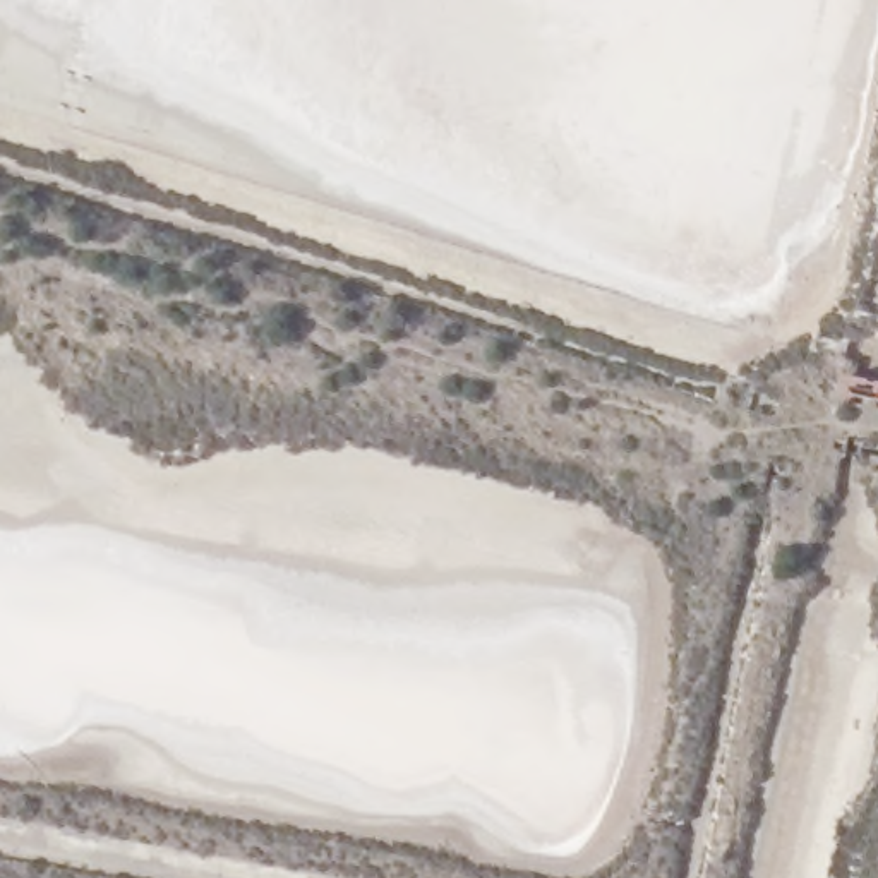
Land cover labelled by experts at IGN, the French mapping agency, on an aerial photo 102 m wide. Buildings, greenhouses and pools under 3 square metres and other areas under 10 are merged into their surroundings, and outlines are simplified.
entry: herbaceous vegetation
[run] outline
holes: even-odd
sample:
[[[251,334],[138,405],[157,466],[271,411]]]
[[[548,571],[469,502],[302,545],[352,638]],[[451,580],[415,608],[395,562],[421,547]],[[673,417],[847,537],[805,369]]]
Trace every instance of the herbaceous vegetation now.
[[[820,319],[820,333],[844,340],[847,353],[809,350],[809,340],[796,336],[785,350],[741,364],[737,384],[727,374],[720,381],[707,381],[676,374],[669,388],[641,381],[607,381],[600,367],[552,353],[538,326],[518,322],[518,329],[511,333],[504,326],[470,319],[432,302],[391,295],[370,281],[343,278],[326,268],[278,257],[274,271],[264,274],[254,274],[240,261],[220,268],[220,298],[240,302],[257,285],[281,292],[285,305],[305,309],[312,333],[305,333],[292,346],[274,346],[271,360],[257,360],[257,350],[250,346],[244,322],[237,326],[233,343],[226,343],[223,322],[206,322],[206,336],[199,340],[199,357],[192,360],[192,367],[213,367],[230,381],[247,377],[250,384],[268,384],[285,394],[295,394],[302,388],[319,388],[322,377],[336,370],[346,370],[360,353],[381,350],[381,370],[353,384],[357,405],[377,401],[388,412],[394,412],[398,422],[418,415],[436,429],[442,422],[466,418],[484,442],[525,439],[542,460],[573,460],[593,470],[607,487],[621,477],[621,470],[634,470],[638,494],[655,508],[669,508],[672,501],[679,501],[683,490],[689,490],[703,501],[713,501],[710,508],[717,518],[731,514],[741,501],[748,501],[748,514],[765,518],[765,532],[755,556],[755,580],[748,586],[741,628],[734,638],[720,741],[703,813],[693,830],[693,857],[686,878],[734,878],[734,864],[724,857],[724,851],[744,823],[755,731],[761,727],[765,707],[772,700],[772,669],[785,638],[792,600],[803,586],[799,576],[823,562],[833,545],[837,521],[847,508],[847,490],[854,484],[864,484],[868,508],[875,511],[878,528],[878,398],[864,398],[857,405],[851,401],[851,388],[854,377],[878,381],[878,120],[868,151],[864,216],[857,226],[857,244],[851,250],[847,288],[840,302]],[[490,381],[494,394],[484,401],[446,394],[442,381],[453,374]],[[727,439],[720,439],[710,449],[710,463],[700,463],[693,456],[689,432],[676,432],[662,422],[669,401],[724,429]]]
[[[31,230],[58,237],[72,250],[120,250],[154,264],[178,264],[182,271],[195,271],[199,264],[195,254],[154,247],[147,233],[137,237],[127,230],[117,240],[86,240],[75,223],[45,213],[31,223]]]
[[[655,751],[655,775],[648,796],[641,799],[645,813],[652,816],[655,806],[665,806],[669,799],[689,803],[696,775],[696,765],[683,755],[689,700],[676,700],[669,693],[665,727]]]
[[[0,202],[0,261],[14,264],[41,254],[27,240],[10,233]]]
[[[192,442],[192,449],[158,449],[147,456],[161,466],[192,466],[209,456],[202,442]]]

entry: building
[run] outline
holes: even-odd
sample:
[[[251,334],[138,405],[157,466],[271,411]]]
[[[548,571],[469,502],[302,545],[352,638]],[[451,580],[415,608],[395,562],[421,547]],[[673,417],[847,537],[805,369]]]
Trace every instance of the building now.
[[[851,401],[857,405],[864,398],[878,398],[878,381],[854,377],[851,388]]]

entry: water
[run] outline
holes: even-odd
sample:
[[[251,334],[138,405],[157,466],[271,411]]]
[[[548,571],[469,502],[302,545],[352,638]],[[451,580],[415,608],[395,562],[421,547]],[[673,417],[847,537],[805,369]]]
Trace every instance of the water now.
[[[268,562],[175,552],[93,525],[41,525],[17,532],[0,528],[0,779],[123,789],[130,796],[158,799],[168,806],[195,806],[237,820],[268,820],[309,830],[346,830],[357,837],[408,840],[439,851],[456,851],[484,864],[532,868],[569,878],[580,878],[610,864],[631,840],[634,827],[652,816],[645,813],[641,799],[648,796],[655,775],[655,751],[665,727],[669,693],[672,583],[662,552],[652,545],[648,535],[638,535],[610,521],[600,532],[576,528],[576,535],[597,549],[621,549],[624,556],[617,569],[645,576],[645,607],[638,614],[631,614],[631,607],[617,597],[573,586],[449,583],[377,590],[329,573],[295,573]]]
[[[220,0],[209,14],[223,17],[226,31],[240,41],[233,55],[223,62],[223,69],[250,72],[261,82],[271,79],[271,89],[278,96],[309,113],[309,130],[302,134],[298,127],[278,120],[254,99],[209,86],[192,72],[158,65],[158,48],[147,38],[123,45],[117,51],[117,62],[123,65],[120,72],[127,75],[130,89],[151,89],[161,103],[185,106],[206,120],[216,120],[254,137],[261,147],[274,151],[295,168],[316,171],[319,182],[336,195],[364,199],[405,213],[436,230],[508,250],[549,271],[600,281],[628,295],[710,319],[731,319],[724,298],[734,292],[751,292],[768,281],[775,268],[779,237],[792,223],[809,220],[823,185],[833,182],[844,165],[844,151],[854,141],[857,120],[851,120],[830,103],[830,72],[840,58],[857,0]]]

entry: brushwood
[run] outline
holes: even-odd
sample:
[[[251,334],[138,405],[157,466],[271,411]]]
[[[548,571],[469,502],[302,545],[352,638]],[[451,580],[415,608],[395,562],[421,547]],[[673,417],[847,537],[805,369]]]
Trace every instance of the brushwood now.
[[[0,202],[10,233],[27,240],[41,254],[14,264],[0,261],[0,333],[10,336],[14,350],[41,370],[45,388],[51,388],[69,412],[82,415],[93,429],[130,439],[134,453],[147,456],[158,449],[192,449],[192,442],[202,442],[209,456],[261,446],[285,446],[288,453],[343,446],[384,449],[422,466],[463,470],[511,487],[535,487],[562,501],[597,504],[610,521],[638,535],[648,535],[652,545],[662,552],[672,583],[669,693],[676,700],[689,700],[683,755],[696,765],[696,775],[689,803],[669,799],[665,806],[655,806],[652,816],[634,827],[631,840],[610,864],[580,878],[686,878],[693,857],[693,830],[703,813],[720,741],[734,638],[741,628],[748,586],[755,580],[755,556],[765,532],[765,518],[748,514],[748,501],[741,501],[731,514],[717,518],[710,508],[713,501],[703,501],[689,490],[683,490],[679,501],[672,501],[669,508],[655,508],[638,494],[634,470],[621,470],[621,477],[607,487],[593,470],[573,460],[542,460],[525,439],[484,442],[466,418],[442,422],[436,429],[418,415],[398,422],[394,412],[388,412],[377,401],[357,405],[353,384],[381,370],[381,350],[360,353],[346,370],[336,370],[322,377],[319,388],[302,388],[295,394],[285,394],[268,384],[250,384],[247,377],[230,381],[213,367],[192,367],[192,360],[199,357],[199,340],[206,336],[206,322],[223,322],[226,343],[233,343],[237,326],[244,322],[250,346],[257,350],[257,360],[271,360],[274,346],[292,346],[305,333],[312,333],[305,309],[285,305],[281,292],[257,285],[240,302],[220,298],[220,268],[240,261],[254,274],[264,274],[274,271],[278,257],[213,233],[192,233],[185,226],[161,223],[141,213],[123,213],[55,185],[17,178],[0,168]],[[86,240],[117,240],[127,230],[137,237],[147,233],[154,247],[195,254],[199,264],[195,271],[182,271],[178,264],[154,264],[120,250],[72,250],[58,237],[31,230],[31,223],[45,213],[75,223]]]
[[[130,871],[99,871],[0,851],[0,878],[147,878]]]
[[[799,648],[809,600],[830,586],[823,562],[799,576],[803,586],[792,600],[785,638],[772,669],[772,700],[765,707],[761,727],[755,731],[744,823],[724,851],[724,857],[734,864],[734,878],[751,878],[755,833],[765,816],[765,782],[772,779],[772,744],[785,710],[792,655]]]
[[[837,820],[830,878],[878,878],[878,768],[871,772],[868,789]]]
[[[240,857],[268,868],[319,871],[340,878],[569,878],[532,868],[484,864],[456,851],[439,851],[408,840],[357,837],[346,830],[309,830],[268,820],[237,820],[195,806],[168,806],[158,799],[130,796],[123,789],[0,779],[0,820],[38,820],[75,833],[117,837],[134,844],[165,844],[199,857]]]
[[[415,274],[401,264],[360,257],[292,230],[278,230],[250,213],[206,202],[189,192],[161,189],[123,161],[86,161],[75,151],[41,151],[0,137],[0,154],[31,168],[62,171],[106,192],[147,199],[168,209],[185,209],[213,223],[230,223],[261,233],[274,244],[333,257],[340,264],[350,264],[353,271],[374,271],[412,288],[463,298],[466,288],[449,278]]]
[[[453,374],[442,381],[446,394],[484,401],[494,394],[490,381]]]
[[[713,364],[693,364],[648,346],[634,346],[600,329],[569,326],[552,312],[490,298],[480,292],[466,295],[470,305],[511,316],[518,322],[538,326],[552,353],[600,367],[607,381],[641,381],[669,388],[676,374],[707,381],[720,381],[727,374]]]

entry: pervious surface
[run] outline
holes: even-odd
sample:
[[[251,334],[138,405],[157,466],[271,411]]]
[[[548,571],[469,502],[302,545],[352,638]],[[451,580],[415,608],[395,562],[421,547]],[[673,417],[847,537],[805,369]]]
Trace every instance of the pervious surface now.
[[[370,281],[391,295],[432,302],[470,319],[504,326],[511,333],[518,329],[518,322],[511,316],[470,305],[466,295],[480,292],[490,298],[552,312],[569,326],[600,329],[634,346],[648,346],[693,364],[713,364],[727,374],[737,384],[741,364],[785,350],[796,336],[809,340],[809,350],[847,353],[844,340],[820,333],[820,319],[840,302],[847,288],[851,250],[857,244],[857,226],[864,216],[868,151],[878,120],[878,0],[857,0],[840,58],[830,72],[830,103],[851,120],[857,120],[854,141],[844,151],[844,165],[833,182],[823,185],[809,220],[792,223],[779,237],[775,268],[768,281],[751,292],[734,292],[724,298],[731,319],[710,319],[628,295],[600,281],[549,271],[508,250],[436,230],[405,213],[364,199],[336,195],[319,182],[316,171],[295,168],[274,151],[261,147],[254,137],[216,120],[206,120],[185,106],[161,103],[151,89],[130,89],[127,75],[120,72],[123,65],[117,62],[117,51],[123,45],[147,38],[158,48],[158,65],[192,72],[209,86],[254,99],[278,120],[298,127],[302,134],[309,130],[309,113],[278,96],[271,89],[271,79],[261,82],[250,72],[223,69],[223,62],[233,55],[240,41],[226,31],[223,17],[209,14],[220,0],[0,0],[0,137],[41,151],[75,151],[86,161],[123,161],[161,189],[189,192],[206,202],[250,213],[278,230],[292,230],[360,257],[401,264],[415,274],[449,278],[466,288],[463,298],[412,288],[374,271],[353,271],[350,264],[340,264],[333,257],[274,244],[261,233],[230,223],[213,223],[185,209],[168,209],[147,199],[106,192],[62,171],[31,168],[0,154],[0,168],[17,178],[55,185],[123,213],[141,213],[161,223],[185,226],[192,233],[213,233],[278,257],[326,268],[343,278]]]
[[[535,487],[511,487],[463,470],[422,466],[384,449],[343,446],[288,453],[285,446],[261,446],[209,456],[192,466],[161,466],[147,456],[134,453],[130,439],[93,429],[82,415],[69,412],[51,388],[45,388],[41,370],[14,350],[10,336],[0,333],[0,528],[17,532],[41,525],[93,525],[175,552],[268,562],[295,573],[329,573],[377,590],[449,583],[573,586],[617,597],[631,607],[631,614],[638,614],[645,607],[645,576],[617,569],[624,556],[621,549],[597,549],[576,535],[576,528],[600,532],[610,521],[597,504],[562,501]]]
[[[710,463],[710,449],[720,439],[727,439],[724,429],[669,401],[662,422],[676,432],[689,432],[693,456],[700,463]]]
[[[878,768],[878,528],[875,511],[868,508],[864,484],[854,484],[847,490],[847,508],[837,521],[833,545],[823,562],[830,586],[809,600],[799,648],[792,655],[785,710],[772,744],[772,779],[765,782],[765,816],[755,833],[751,878],[830,878],[837,820],[868,789],[871,772]]]
[[[147,878],[340,878],[319,871],[268,868],[240,857],[199,857],[165,844],[134,844],[117,837],[75,833],[38,820],[0,820],[0,851],[99,871],[130,871]]]

